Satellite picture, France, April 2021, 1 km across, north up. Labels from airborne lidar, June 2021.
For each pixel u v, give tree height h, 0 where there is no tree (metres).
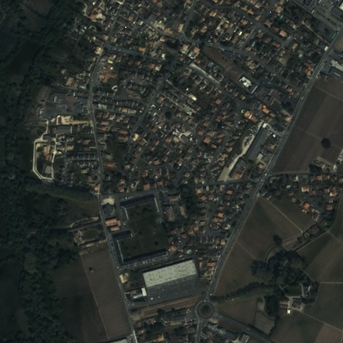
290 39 0
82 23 7
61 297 0
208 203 0
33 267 33
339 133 0
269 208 0
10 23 0
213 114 5
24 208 10
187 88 6
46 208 0
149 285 0
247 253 0
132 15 0
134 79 0
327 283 0
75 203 0
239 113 0
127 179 16
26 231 13
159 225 0
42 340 16
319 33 10
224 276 0
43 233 19
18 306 0
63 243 24
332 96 0
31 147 0
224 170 0
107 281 0
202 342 8
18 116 0
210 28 6
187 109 0
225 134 0
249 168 0
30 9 11
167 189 0
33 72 15
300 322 0
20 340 24
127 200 0
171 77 7
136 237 0
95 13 12
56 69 11
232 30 0
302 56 0
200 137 0
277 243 22
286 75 9
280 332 0
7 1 15
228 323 0
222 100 0
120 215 0
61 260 21
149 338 9
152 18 0
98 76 0
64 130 0
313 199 7
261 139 0
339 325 0
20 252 13
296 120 0
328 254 0
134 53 0
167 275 0
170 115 8
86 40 6
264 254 0
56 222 11
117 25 5
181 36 0
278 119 10
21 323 0
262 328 0
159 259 0
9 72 0
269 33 0
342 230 0
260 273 40
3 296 0
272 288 30
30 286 29
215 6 0
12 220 18
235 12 0
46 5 0
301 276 11
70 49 0
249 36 0
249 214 0
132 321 0
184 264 0
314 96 0
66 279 0
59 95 0
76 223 13
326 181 8
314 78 0
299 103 0
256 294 28
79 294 0
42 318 8
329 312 0
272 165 0
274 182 13
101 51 0
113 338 0
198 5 6
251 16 8
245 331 0
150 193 0
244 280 0
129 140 0
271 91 0
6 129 11
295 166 0
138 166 0
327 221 10
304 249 0
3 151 0
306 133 0
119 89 0
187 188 25
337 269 0
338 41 0
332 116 0
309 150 0
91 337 0
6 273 0
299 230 0
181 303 0
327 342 0
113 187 0
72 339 8
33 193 15
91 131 0
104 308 0
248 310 0
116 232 0
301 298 6
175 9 6
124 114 0
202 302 0
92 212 0
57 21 17
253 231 0
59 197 9
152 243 0
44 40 15
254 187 8
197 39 0
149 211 12
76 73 8
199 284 0
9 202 14
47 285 20
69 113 7
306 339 0
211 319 0
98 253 0
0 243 19
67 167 0
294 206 0
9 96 12
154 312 0
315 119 0
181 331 12
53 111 0
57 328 13
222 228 7
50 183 0
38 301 11
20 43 10
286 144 0
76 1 17
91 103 0
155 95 0
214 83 0
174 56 0
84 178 0
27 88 11
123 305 0
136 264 0
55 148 0
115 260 0
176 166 11
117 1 0
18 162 12
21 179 12
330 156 0
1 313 0
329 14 0
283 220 0
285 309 0
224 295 0
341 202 0
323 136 0
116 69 0
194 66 0
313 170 19
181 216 14
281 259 19
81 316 0
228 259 0
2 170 0
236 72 0
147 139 9
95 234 0
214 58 0
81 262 0
